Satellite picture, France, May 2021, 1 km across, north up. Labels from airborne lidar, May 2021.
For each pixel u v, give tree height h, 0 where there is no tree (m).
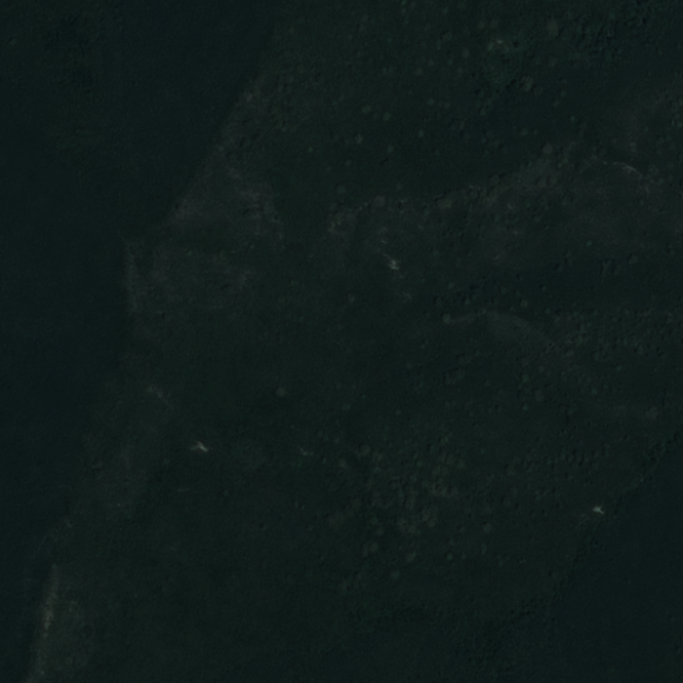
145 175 6
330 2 6
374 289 6
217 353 5
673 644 5
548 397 6
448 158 7
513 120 9
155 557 6
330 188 6
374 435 6
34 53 6
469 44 7
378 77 6
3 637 5
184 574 6
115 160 7
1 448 5
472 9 7
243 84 5
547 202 10
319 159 6
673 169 6
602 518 7
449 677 7
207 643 6
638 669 6
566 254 12
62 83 7
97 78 8
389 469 11
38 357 6
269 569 6
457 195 12
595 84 6
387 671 7
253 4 6
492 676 8
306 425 6
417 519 6
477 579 6
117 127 6
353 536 7
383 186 6
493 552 7
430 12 6
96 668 5
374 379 6
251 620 7
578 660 6
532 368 6
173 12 6
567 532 7
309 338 6
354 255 6
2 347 6
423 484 10
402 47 7
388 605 9
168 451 6
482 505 6
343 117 6
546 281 6
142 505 8
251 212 13
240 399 5
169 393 7
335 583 8
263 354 6
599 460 7
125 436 6
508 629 15
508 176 14
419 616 15
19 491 6
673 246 6
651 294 10
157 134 6
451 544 9
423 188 6
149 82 6
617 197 6
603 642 5
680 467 5
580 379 9
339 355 6
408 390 6
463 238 10
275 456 11
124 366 7
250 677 5
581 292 6
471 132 8
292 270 6
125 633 6
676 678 6
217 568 8
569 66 6
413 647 6
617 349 14
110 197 6
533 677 8
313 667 6
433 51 6
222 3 6
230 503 6
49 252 6
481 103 8
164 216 5
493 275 6
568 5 9
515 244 6
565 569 8
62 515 5
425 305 6
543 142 5
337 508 8
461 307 6
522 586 6
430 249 5
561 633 6
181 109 5
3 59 8
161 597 6
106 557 8
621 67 5
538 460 6
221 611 6
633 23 16
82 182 6
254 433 6
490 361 6
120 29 7
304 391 6
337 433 9
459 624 7
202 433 6
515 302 6
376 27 6
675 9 8
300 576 6
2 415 5
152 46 7
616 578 6
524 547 6
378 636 6
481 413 6
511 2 7
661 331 16
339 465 7
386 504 13
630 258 10
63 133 6
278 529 5
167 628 7
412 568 6
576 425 17
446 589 5
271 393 7
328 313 6
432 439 6
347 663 7
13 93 7
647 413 8
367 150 6
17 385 6
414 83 6
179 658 6
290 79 14
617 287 5
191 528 6
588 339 14
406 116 6
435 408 5
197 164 5
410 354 7
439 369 6
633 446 7
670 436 6
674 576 5
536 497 10
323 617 6
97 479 9
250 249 6
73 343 6
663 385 6
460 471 6
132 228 5
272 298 6
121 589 5
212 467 6
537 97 7
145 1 7
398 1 6
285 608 6
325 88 6
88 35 9
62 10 6
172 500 6
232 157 11
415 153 9
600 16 16
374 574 7
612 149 6
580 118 5
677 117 8
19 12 7
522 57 6
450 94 6
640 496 7
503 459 6
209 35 6
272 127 6
